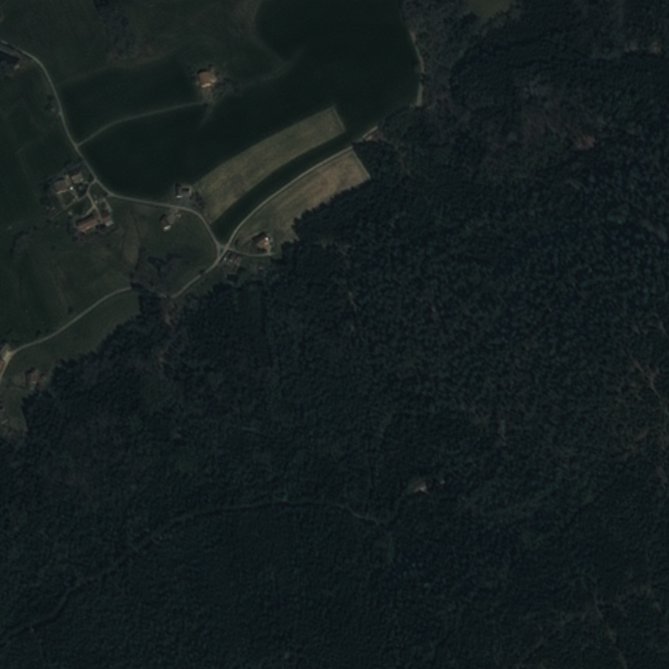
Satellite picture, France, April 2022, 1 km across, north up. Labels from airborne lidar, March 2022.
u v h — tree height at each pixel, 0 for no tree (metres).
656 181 35
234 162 0
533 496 9
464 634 12
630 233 7
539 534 14
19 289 0
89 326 0
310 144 0
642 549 15
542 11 8
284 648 16
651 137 7
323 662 13
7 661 10
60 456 19
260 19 0
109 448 19
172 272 15
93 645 11
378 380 26
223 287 0
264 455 17
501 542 13
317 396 20
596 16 9
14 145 0
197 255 0
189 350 16
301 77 0
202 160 0
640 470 9
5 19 0
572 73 23
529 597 7
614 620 11
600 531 13
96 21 0
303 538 18
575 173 12
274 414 20
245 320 9
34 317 0
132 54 16
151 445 19
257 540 16
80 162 10
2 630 15
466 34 22
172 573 12
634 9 7
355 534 22
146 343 15
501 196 11
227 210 0
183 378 18
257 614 15
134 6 0
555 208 8
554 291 14
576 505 7
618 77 23
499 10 0
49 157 0
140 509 15
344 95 0
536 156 17
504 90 25
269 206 0
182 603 12
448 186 11
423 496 13
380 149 11
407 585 18
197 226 0
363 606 15
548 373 12
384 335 15
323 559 18
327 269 18
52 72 0
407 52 0
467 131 18
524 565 11
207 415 13
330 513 13
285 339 24
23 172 0
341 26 0
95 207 0
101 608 11
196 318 16
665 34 10
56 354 0
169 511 15
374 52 0
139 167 0
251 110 0
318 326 26
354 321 22
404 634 19
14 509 29
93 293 0
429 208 10
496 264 7
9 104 0
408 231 9
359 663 18
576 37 15
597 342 16
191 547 10
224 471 15
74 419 22
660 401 8
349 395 21
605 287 11
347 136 0
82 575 15
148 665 12
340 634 17
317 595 15
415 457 9
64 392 22
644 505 14
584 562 10
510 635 11
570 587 11
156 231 0
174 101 0
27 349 0
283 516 16
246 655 13
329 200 0
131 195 0
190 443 12
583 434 18
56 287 0
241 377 15
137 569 9
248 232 0
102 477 9
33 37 0
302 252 21
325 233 15
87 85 0
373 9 0
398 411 15
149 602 7
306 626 17
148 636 14
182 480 15
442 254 10
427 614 10
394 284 10
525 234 11
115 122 0
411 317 27
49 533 13
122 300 0
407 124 16
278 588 11
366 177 0
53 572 10
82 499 9
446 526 15
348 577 17
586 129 17
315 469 14
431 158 10
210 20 0
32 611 18
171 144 0
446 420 11
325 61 0
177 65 0
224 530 16
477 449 18
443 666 17
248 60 0
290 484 17
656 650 13
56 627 12
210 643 9
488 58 17
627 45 12
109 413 20
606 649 13
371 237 28
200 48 0
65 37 0
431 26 15
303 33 0
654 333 13
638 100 30
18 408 0
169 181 0
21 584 13
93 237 11
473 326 26
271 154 0
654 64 15
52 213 7
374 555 18
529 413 8
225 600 11
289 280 17
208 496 22
